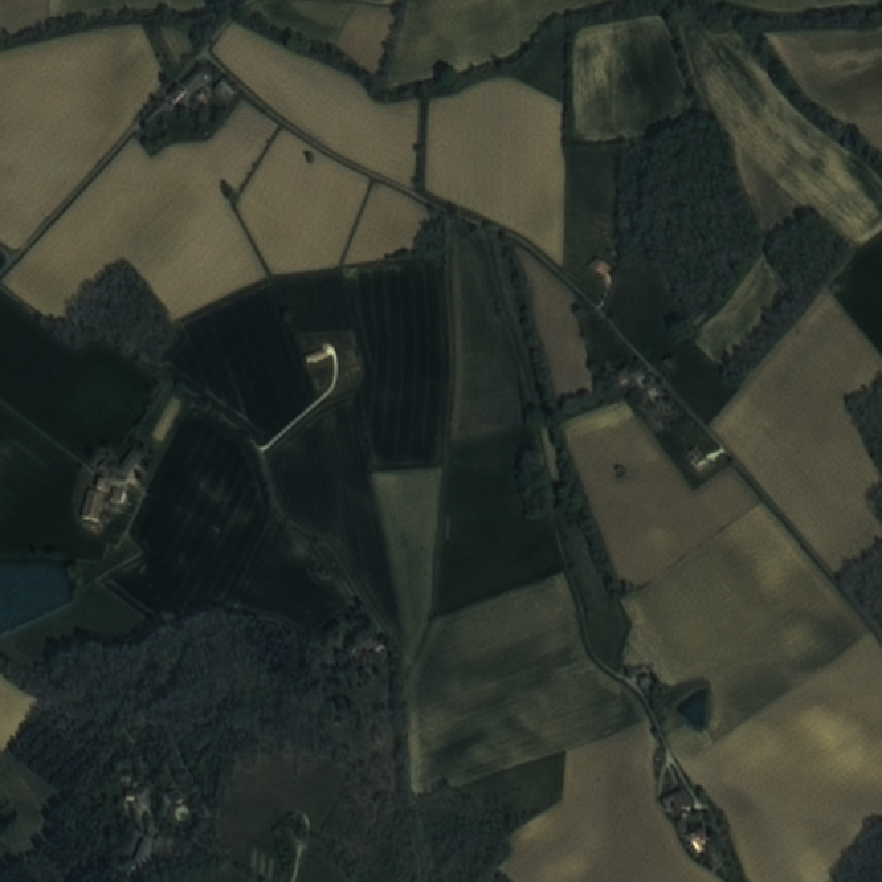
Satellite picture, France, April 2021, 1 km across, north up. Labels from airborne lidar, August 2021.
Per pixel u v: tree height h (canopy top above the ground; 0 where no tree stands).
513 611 0
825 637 0
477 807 18
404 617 0
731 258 20
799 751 0
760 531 0
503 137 0
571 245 0
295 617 0
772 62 12
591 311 15
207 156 0
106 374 0
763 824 0
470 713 0
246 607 0
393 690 13
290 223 0
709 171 21
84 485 0
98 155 0
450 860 16
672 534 0
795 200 0
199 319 0
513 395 0
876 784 0
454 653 0
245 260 0
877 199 0
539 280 0
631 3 15
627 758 0
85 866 14
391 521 0
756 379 0
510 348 0
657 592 0
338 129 0
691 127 17
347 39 0
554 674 0
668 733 0
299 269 0
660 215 21
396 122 0
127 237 0
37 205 0
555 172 0
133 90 0
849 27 13
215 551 0
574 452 0
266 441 0
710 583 0
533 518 15
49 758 18
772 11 0
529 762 0
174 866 14
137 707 12
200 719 13
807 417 0
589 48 0
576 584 0
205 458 0
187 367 0
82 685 23
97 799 12
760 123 0
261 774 0
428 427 0
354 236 0
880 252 0
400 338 0
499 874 12
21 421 0
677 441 0
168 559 0
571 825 0
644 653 0
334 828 0
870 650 0
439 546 0
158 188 0
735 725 0
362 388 0
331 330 0
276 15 0
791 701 0
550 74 0
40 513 0
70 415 0
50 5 0
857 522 0
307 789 0
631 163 12
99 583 0
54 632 0
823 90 0
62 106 0
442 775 0
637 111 0
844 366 0
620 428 0
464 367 0
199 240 0
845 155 0
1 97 0
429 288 0
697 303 18
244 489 0
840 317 0
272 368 0
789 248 19
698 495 0
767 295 0
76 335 22
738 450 0
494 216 0
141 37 0
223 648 18
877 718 0
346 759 14
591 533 12
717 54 0
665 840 0
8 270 0
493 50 0
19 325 0
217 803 11
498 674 0
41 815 0
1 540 0
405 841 9
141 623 0
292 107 0
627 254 15
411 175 0
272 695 8
